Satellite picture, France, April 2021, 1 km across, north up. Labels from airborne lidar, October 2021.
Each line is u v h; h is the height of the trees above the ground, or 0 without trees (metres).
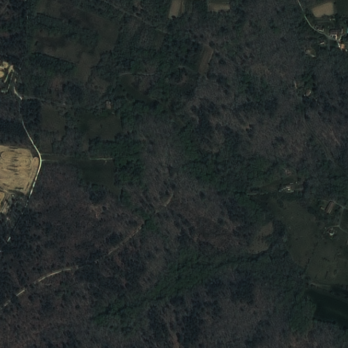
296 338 19
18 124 15
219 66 14
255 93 21
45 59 20
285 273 13
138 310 27
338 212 7
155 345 12
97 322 18
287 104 14
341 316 0
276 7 18
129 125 22
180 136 22
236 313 17
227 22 10
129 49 11
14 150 0
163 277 20
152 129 21
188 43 18
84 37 10
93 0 15
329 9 0
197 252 23
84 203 7
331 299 0
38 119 14
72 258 9
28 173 0
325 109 14
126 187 17
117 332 19
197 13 11
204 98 13
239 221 25
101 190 11
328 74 22
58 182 9
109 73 8
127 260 25
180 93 7
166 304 12
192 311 10
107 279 10
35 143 11
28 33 22
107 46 0
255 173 21
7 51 26
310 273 0
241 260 15
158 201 19
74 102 19
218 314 21
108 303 16
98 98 12
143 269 21
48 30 22
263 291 16
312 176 24
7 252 21
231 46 16
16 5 21
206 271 24
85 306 10
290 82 13
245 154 22
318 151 17
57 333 10
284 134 18
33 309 13
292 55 19
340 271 0
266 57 19
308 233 0
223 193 15
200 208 17
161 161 19
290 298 17
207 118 21
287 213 0
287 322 16
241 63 10
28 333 11
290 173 27
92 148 13
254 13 15
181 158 22
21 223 17
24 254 14
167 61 20
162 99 24
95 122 0
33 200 10
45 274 14
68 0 0
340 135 16
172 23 9
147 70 9
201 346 7
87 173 0
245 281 16
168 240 18
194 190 17
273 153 22
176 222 19
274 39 17
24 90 17
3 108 15
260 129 15
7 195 0
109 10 12
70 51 0
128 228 20
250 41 19
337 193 18
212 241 7
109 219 10
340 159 20
